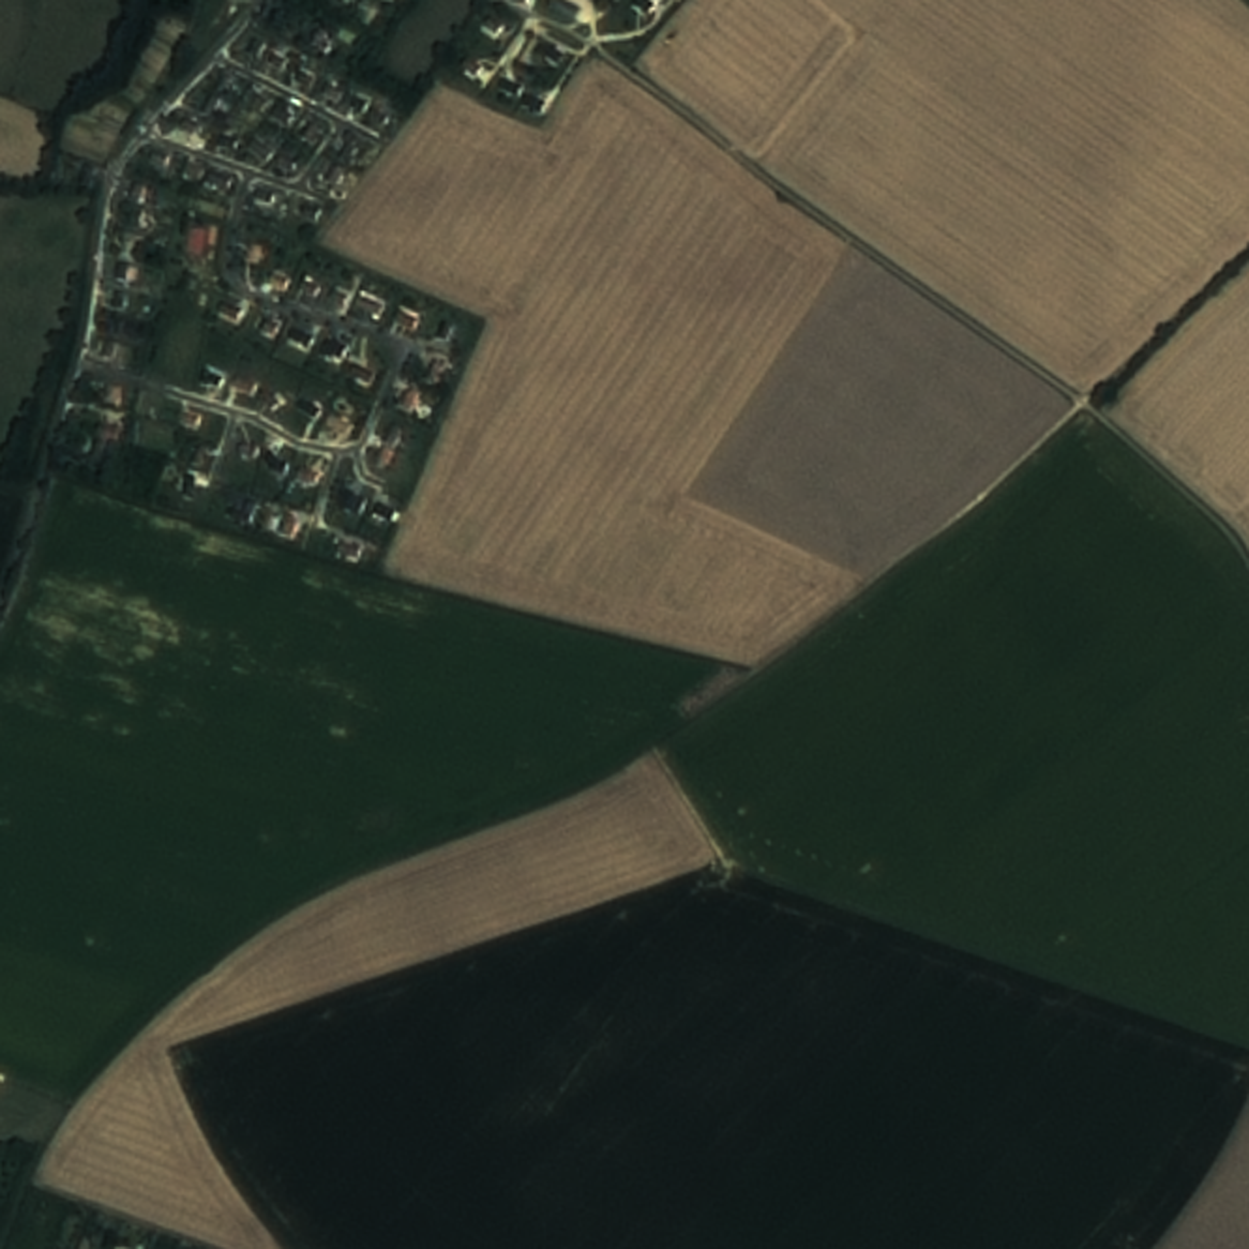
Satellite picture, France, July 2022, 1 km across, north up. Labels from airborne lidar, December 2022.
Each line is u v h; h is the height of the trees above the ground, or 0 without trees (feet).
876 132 0
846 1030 0
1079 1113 0
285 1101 0
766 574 0
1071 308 0
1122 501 0
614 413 0
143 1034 0
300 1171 0
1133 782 0
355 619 0
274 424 0
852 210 0
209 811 0
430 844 0
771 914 0
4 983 0
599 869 0
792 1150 0
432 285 0
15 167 0
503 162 0
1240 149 0
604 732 0
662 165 0
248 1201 0
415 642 0
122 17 0
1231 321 0
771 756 0
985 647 0
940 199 0
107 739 0
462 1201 0
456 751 0
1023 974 0
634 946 0
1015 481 0
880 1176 0
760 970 0
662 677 0
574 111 0
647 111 0
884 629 0
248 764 0
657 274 0
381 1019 0
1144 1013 0
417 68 0
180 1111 0
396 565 0
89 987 0
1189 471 0
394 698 0
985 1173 0
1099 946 0
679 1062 0
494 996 0
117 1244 28
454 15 0
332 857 0
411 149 0
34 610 0
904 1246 0
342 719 0
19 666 0
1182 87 0
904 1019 0
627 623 0
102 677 0
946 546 0
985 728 0
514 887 0
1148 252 0
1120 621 0
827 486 0
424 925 0
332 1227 0
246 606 0
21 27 0
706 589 0
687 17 0
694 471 0
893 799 0
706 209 0
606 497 0
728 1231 0
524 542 0
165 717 0
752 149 0
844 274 0
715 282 0
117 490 26
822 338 0
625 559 0
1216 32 0
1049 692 0
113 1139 0
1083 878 0
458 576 0
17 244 0
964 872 0
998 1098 0
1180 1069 0
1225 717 0
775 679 0
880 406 0
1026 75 0
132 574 0
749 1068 0
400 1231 0
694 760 0
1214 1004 0
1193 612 0
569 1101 0
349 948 0
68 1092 0
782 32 0
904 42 0
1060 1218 0
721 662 0
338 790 0
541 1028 0
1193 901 0
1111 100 0
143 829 0
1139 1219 0
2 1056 0
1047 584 0
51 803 0
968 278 0
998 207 0
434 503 0
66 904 0
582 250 0
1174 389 0
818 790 0
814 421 0
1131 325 0
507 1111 0
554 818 0
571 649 0
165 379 0
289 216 0
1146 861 0
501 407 0
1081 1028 0
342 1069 0
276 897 0
